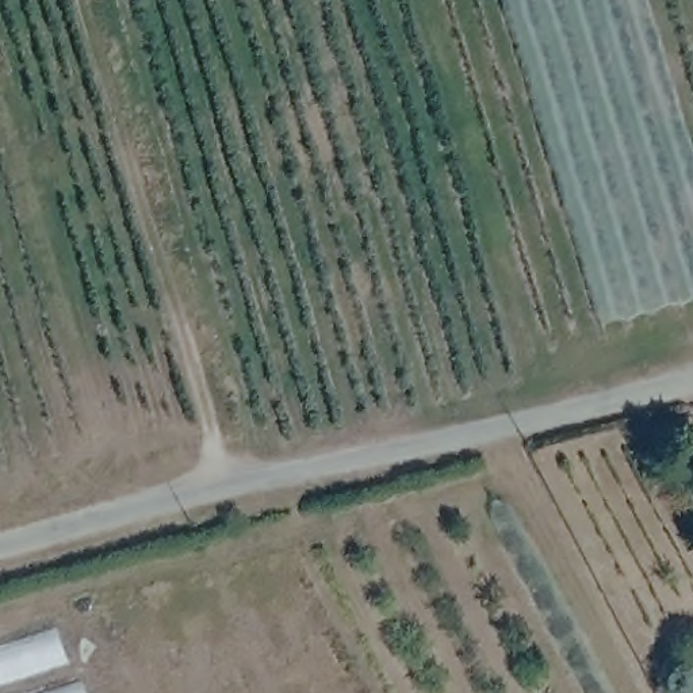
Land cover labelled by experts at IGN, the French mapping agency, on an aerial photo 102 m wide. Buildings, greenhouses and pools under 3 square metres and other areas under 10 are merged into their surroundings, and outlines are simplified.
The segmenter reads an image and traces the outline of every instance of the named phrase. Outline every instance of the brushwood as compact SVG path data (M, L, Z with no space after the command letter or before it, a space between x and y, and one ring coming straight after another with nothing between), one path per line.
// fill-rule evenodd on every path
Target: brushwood
M620 428L625 433L623 411L550 428L522 439L525 449L541 449L555 441L590 436L609 428Z
M401 476L398 482L384 487L330 495L314 501L311 512L341 509L360 501L384 498L393 493L422 490L436 485L439 479L466 476L485 463L468 460L441 471Z
M122 568L146 558L165 558L184 550L203 552L211 539L236 539L260 522L276 522L282 517L290 517L290 512L287 506L279 506L263 509L257 514L244 514L233 506L225 525L214 531L171 536L125 552L114 552L108 558L0 585L0 601L60 582L73 582L81 577Z

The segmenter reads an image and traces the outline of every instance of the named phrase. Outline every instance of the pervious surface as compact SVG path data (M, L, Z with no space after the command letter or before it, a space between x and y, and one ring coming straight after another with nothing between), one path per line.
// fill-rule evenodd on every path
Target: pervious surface
M173 336L173 349L198 420L203 428L200 463L184 474L189 485L219 479L227 474L238 455L227 452L222 444L217 406L206 382L192 322L187 319L187 314L171 314L165 319L165 328Z

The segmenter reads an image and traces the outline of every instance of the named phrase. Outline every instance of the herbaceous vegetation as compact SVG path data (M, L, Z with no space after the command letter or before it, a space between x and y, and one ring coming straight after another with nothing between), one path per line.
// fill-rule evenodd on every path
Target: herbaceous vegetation
M195 135L200 133L198 116L219 106L217 95L222 89L230 87L233 97L241 97L241 84L236 79L225 35L217 22L214 5L219 0L73 0L73 22L89 62L95 89L100 92L114 160L127 187L133 222L141 233L146 263L152 268L152 282L160 298L157 309L146 303L146 292L133 263L133 249L122 227L119 203L97 141L97 125L79 79L68 32L60 30L68 79L60 79L57 60L49 60L46 68L51 81L41 84L41 76L32 76L32 89L22 92L22 84L14 73L14 62L8 54L5 24L0 19L0 531L30 525L119 495L130 495L143 487L165 485L184 474L200 463L203 428L198 420L187 422L173 398L162 349L173 349L173 336L165 328L165 319L171 314L187 314L187 319L192 322L206 382L217 406L222 444L227 452L238 455L254 455L260 460L287 460L317 455L325 449L352 447L360 441L379 441L390 436L512 414L520 409L552 403L568 395L596 393L604 387L617 387L623 382L633 382L693 363L693 303L682 309L663 309L658 314L642 314L633 322L601 322L585 273L579 241L574 233L574 219L566 208L563 184L547 143L544 125L533 103L531 76L517 35L512 30L512 24L520 19L520 11L512 5L514 0L417 0L411 5L411 24L428 65L433 68L441 125L449 130L452 154L460 162L463 176L463 189L457 192L468 200L471 208L485 276L460 282L457 276L449 279L452 292L441 295L439 306L430 295L430 287L422 290L422 298L411 298L406 276L382 279L382 292L371 298L371 282L360 263L352 263L341 273L322 273L317 279L311 276L309 282L303 282L300 295L322 355L328 390L336 406L336 422L328 428L309 428L300 436L300 444L292 444L276 430L273 414L265 417L263 425L252 420L246 406L246 387L241 379L241 363L233 349L233 341L222 341L214 328L200 325L203 306L198 292L198 271L187 268L173 254L173 244L184 236L184 222L195 211L198 198L192 187L181 187L168 122L173 119L179 125L187 119ZM133 287L133 295L116 303L122 319L114 325L111 319L97 322L97 317L87 314L70 241L65 230L54 225L54 192L70 192L73 187L89 184L89 173L79 149L79 135L84 133L97 165L108 217Z
M347 87L344 81L338 81L330 87L330 111L347 160L349 154L360 152L360 138L349 116Z
M319 116L319 106L314 103L311 87L306 81L298 87L300 106L322 162L333 157L333 149L325 133L325 122Z
M314 501L330 495L384 487L398 482L401 476L441 471L468 460L485 463L466 476L439 479L436 485L422 490L393 493L384 498L360 501L341 509L311 512ZM436 612L430 609L430 601L447 593L452 593L457 601L463 625L471 631L476 642L476 658L485 674L498 677L504 682L504 693L531 693L509 671L498 631L487 623L487 609L476 598L479 585L487 582L487 577L498 579L493 590L493 596L501 598L495 614L522 617L531 642L541 650L547 661L547 671L541 674L550 685L547 693L585 693L577 679L577 671L566 661L566 650L577 642L585 650L590 671L601 685L598 693L655 693L652 688L663 690L669 685L669 674L679 661L674 655L674 647L693 631L693 550L674 525L674 512L669 509L669 501L661 495L661 485L631 468L625 455L625 433L620 428L609 428L590 436L555 441L541 449L525 449L522 439L501 439L485 444L479 452L460 449L439 455L436 460L409 460L390 466L384 474L376 476L330 482L325 487L311 490L276 487L236 495L233 501L206 504L173 514L171 525L141 531L125 539L114 539L111 533L92 536L84 541L73 541L70 547L76 552L68 552L65 544L57 544L35 552L32 558L38 563L0 571L0 585L108 558L114 552L125 552L171 536L214 531L225 525L233 506L244 514L257 514L263 509L279 506L287 506L290 512L290 517L282 517L276 522L260 522L236 539L211 539L203 552L184 550L165 558L146 558L122 568L81 577L73 582L60 582L0 601L0 647L41 636L46 631L57 631L68 658L65 666L0 685L0 693L425 693L409 679L406 663L398 655L393 655L382 642L379 609L365 598L365 587L371 582L387 582L395 609L422 625L428 652L439 666L447 669L447 682L436 693L476 693L463 671L455 639L439 628ZM460 517L468 522L468 539L455 541L444 533L444 528L439 525L441 506L452 506L460 512ZM411 522L422 531L422 539L417 541L414 552L406 552L393 541L393 528L401 522ZM547 585L555 596L552 606L539 609L528 582L517 571L514 555L501 544L501 531L517 531L522 536L528 555L547 574ZM347 560L347 539L374 547L371 568L360 571ZM420 563L433 563L441 574L425 590L411 577L411 571Z

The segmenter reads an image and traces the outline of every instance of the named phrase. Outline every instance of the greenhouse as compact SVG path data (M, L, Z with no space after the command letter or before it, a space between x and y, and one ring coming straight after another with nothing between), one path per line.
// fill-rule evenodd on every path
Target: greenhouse
M0 685L65 666L68 658L57 631L46 631L41 636L0 647Z

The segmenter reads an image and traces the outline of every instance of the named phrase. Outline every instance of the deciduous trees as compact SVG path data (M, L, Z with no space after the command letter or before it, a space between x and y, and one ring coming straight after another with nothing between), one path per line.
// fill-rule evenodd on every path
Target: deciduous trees
M661 485L661 495L669 501L669 509L674 512L674 525L693 550L693 401L652 401L644 406L628 403L623 411L625 433L625 455L631 468Z
M73 0L0 0L0 19L5 24L8 54L14 62L14 73L22 84L22 92L32 89L32 76L41 76L41 84L51 81L46 68L49 60L57 60L60 79L68 79L60 30L68 32L79 79L97 125L97 141L119 203L122 227L133 249L133 263L146 292L146 303L157 309L160 298L152 282L152 268L146 263L141 233L133 222L127 187L114 160L100 92L95 89L89 62L73 22Z
M577 642L566 650L566 661L577 671L577 679L585 693L598 693L601 685L590 671L585 650Z
M365 598L379 609L382 642L393 655L398 655L406 663L409 679L425 693L436 693L447 682L447 669L439 666L428 652L422 625L395 609L387 582L371 582L365 587Z
M425 590L441 574L433 563L420 563L411 571L411 577Z
M360 571L371 568L374 547L347 539L347 560Z
M439 525L444 528L444 533L455 541L468 539L468 522L460 517L460 512L452 506L441 506Z
M633 322L642 314L658 314L663 309L682 309L693 303L693 0L514 0L512 5L520 11L520 19L512 24L512 30L517 35L531 76L533 103L544 125L547 143L563 184L566 208L574 219L574 233L579 241L585 273L601 322Z
M173 349L162 349L173 398L187 422L198 420Z
M463 671L476 693L504 693L504 682L498 677L485 674L476 658L476 642L471 631L463 625L457 601L452 593L447 593L430 601L430 609L436 612L439 628L455 639Z
M531 693L547 693L550 685L541 674L547 671L547 661L541 650L531 642L522 617L495 614L501 598L493 596L493 590L498 579L487 577L487 582L479 585L476 598L487 609L487 623L498 631L509 671Z
M393 528L393 541L406 552L414 552L417 541L422 539L422 531L411 522L401 522Z
M528 555L522 536L517 531L501 531L501 544L514 555L517 571L528 582L539 609L552 606L555 596L547 585L547 574Z
M674 647L674 655L679 661L669 674L669 685L663 690L652 688L655 693L693 693L693 631Z
M70 192L54 192L54 225L65 230L70 241L87 314L97 317L97 322L111 319L114 325L122 319L116 303L133 295L133 287L108 217L97 165L84 133L79 135L79 149L89 173L89 184L73 187Z
M452 292L449 279L457 276L460 282L485 276L471 208L468 200L457 192L463 189L463 176L460 162L452 154L449 130L441 125L433 68L428 65L411 24L411 5L417 0L219 0L214 5L217 22L225 35L236 79L241 84L241 97L233 97L230 87L222 89L217 95L219 106L198 116L200 133L195 135L187 119L179 125L173 119L168 122L181 187L192 187L198 198L195 211L184 222L184 236L173 244L173 254L187 268L198 271L198 292L203 306L200 325L214 328L222 341L233 341L233 349L241 363L241 379L246 387L246 406L252 420L263 425L265 417L273 414L276 430L292 444L300 444L300 436L309 428L328 428L336 422L336 406L328 390L322 355L300 295L303 282L309 282L311 276L317 279L322 273L341 273L352 263L360 263L371 282L371 298L382 292L382 279L406 276L411 298L422 298L422 290L430 287L430 295L439 306L441 295ZM314 103L319 106L319 116L325 122L325 133L333 149L333 157L322 162L300 106L298 87L306 81L311 87ZM344 81L347 87L349 116L360 138L360 152L349 154L347 160L330 111L330 87L338 81Z

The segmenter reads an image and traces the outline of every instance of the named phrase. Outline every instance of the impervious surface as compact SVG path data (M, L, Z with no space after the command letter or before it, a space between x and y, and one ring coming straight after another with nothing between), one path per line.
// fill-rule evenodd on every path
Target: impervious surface
M238 455L227 474L219 479L189 485L184 474L165 485L143 487L130 495L119 495L30 525L0 531L0 571L38 563L32 558L35 552L57 544L65 544L68 552L76 552L70 547L73 541L84 541L92 536L111 533L114 539L125 539L141 531L171 525L173 514L206 504L233 501L236 495L276 487L311 490L325 487L330 482L376 476L384 474L390 466L409 460L436 460L439 455L460 449L479 452L485 444L501 439L522 439L550 428L623 411L628 403L644 406L652 401L693 401L693 363L633 382L623 382L617 387L604 387L596 393L568 395L552 403L520 409L512 414L390 436L379 441L360 441L352 447L325 449L317 455L287 460L260 460L254 455Z

